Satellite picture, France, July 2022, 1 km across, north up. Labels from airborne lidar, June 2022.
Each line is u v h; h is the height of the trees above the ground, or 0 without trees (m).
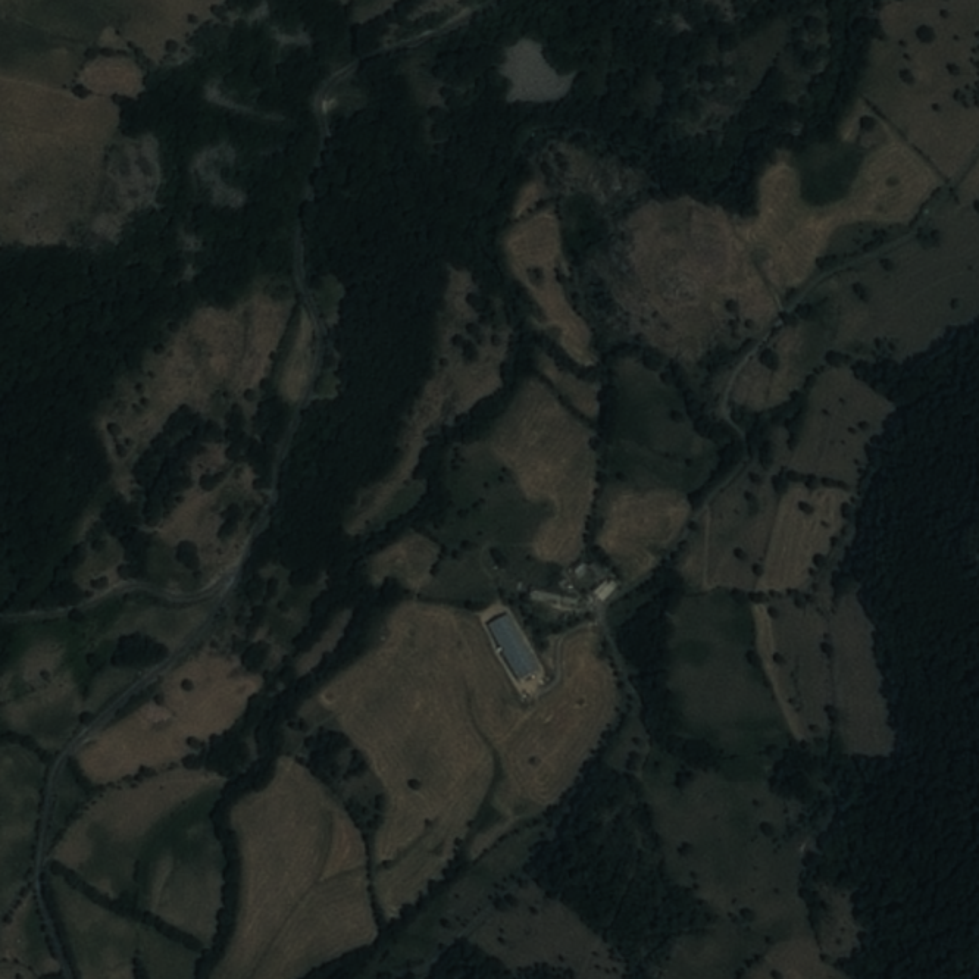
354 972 8
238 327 0
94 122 0
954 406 24
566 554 0
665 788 0
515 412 0
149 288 18
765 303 0
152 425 0
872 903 17
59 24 0
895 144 0
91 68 0
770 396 0
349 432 20
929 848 22
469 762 0
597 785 21
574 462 0
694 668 0
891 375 23
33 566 15
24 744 10
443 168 13
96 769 0
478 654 0
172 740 0
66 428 18
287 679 17
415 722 0
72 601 15
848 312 0
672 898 9
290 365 0
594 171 0
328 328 6
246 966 0
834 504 0
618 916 8
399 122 26
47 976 8
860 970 19
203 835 0
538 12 14
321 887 0
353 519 0
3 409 19
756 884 0
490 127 17
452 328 0
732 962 0
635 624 12
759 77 0
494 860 0
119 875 0
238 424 14
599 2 17
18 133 0
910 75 13
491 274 16
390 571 0
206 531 0
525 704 0
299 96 12
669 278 0
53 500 7
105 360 10
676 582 10
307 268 8
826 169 0
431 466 23
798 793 11
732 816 0
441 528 9
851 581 15
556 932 0
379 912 12
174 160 14
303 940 0
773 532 0
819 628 0
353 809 11
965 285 0
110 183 0
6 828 0
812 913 7
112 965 0
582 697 0
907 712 25
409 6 15
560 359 28
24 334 22
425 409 0
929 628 24
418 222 11
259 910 0
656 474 0
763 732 0
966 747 29
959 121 0
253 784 16
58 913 10
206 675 0
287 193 15
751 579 0
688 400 12
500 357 0
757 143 11
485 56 22
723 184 9
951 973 35
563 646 0
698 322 0
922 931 19
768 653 0
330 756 16
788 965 0
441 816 0
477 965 25
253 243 15
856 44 7
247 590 12
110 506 11
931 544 20
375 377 20
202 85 8
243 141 9
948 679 28
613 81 13
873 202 0
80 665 0
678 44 23
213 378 0
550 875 18
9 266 24
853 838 21
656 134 20
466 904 0
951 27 0
